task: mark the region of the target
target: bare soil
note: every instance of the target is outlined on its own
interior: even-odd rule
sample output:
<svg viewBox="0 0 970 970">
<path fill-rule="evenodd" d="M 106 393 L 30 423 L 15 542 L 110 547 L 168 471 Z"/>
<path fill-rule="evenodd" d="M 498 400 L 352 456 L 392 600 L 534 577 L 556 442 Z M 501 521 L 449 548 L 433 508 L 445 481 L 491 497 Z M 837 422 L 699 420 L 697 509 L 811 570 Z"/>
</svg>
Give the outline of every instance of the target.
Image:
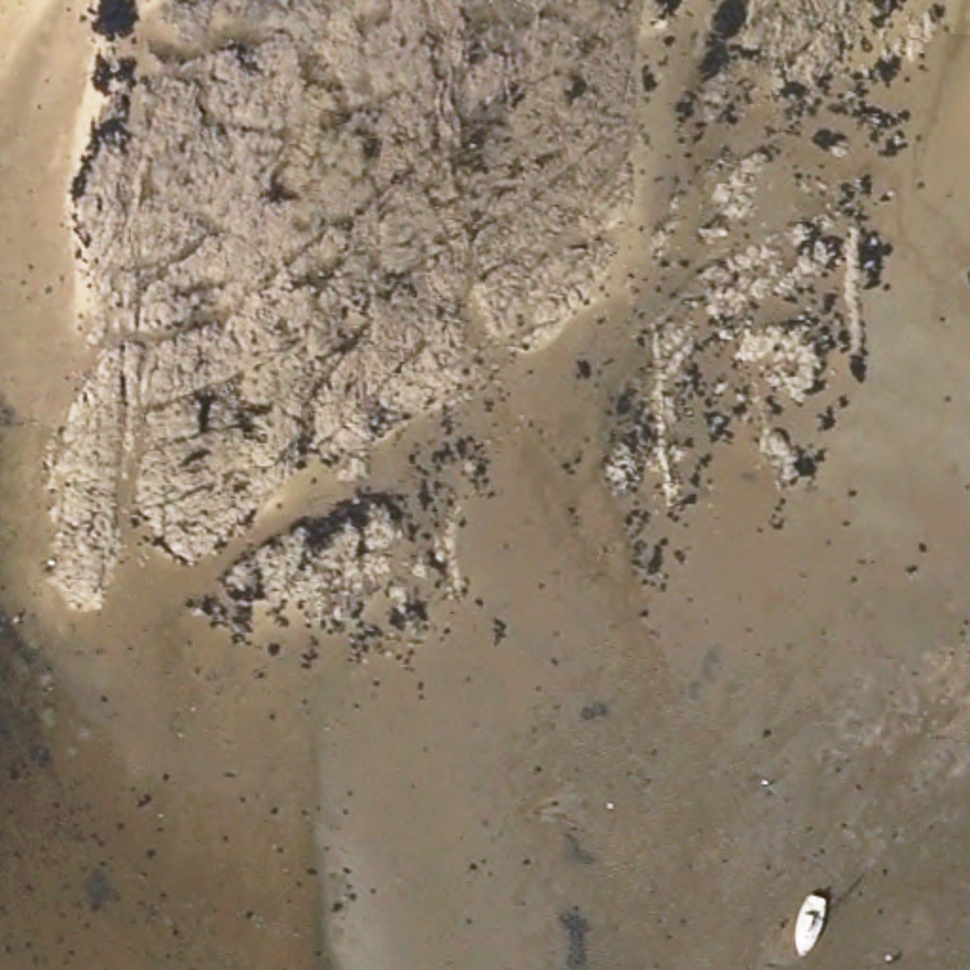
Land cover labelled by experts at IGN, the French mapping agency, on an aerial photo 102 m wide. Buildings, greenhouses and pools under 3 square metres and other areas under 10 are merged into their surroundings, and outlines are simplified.
<svg viewBox="0 0 970 970">
<path fill-rule="evenodd" d="M 15 424 L 4 443 L 8 466 L 0 485 L 0 553 L 11 561 L 11 599 L 30 610 L 27 625 L 19 629 L 23 640 L 45 652 L 64 671 L 64 690 L 76 697 L 80 712 L 91 716 L 87 728 L 76 731 L 83 743 L 114 739 L 114 754 L 125 762 L 136 784 L 140 777 L 171 773 L 171 792 L 246 792 L 246 811 L 273 811 L 280 834 L 299 830 L 299 807 L 311 807 L 318 815 L 314 841 L 322 856 L 322 917 L 337 970 L 970 970 L 970 0 L 0 0 L 0 83 L 11 76 L 23 45 L 45 57 L 38 87 L 27 106 L 27 133 L 49 152 L 49 167 L 57 174 L 53 193 L 61 197 L 64 220 L 61 261 L 72 269 L 68 333 L 72 341 L 87 345 L 87 356 L 99 360 L 95 379 L 68 405 L 68 424 L 38 424 L 34 417 L 15 413 Z"/>
</svg>

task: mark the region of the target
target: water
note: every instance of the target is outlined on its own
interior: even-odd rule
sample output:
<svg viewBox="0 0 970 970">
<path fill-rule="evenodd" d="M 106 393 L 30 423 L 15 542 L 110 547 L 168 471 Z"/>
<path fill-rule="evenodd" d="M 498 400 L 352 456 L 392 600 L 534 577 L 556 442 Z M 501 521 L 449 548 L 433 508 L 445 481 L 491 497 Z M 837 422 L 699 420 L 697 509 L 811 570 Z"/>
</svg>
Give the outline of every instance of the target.
<svg viewBox="0 0 970 970">
<path fill-rule="evenodd" d="M 49 152 L 27 133 L 27 106 L 38 87 L 45 57 L 23 45 L 11 76 L 0 83 L 0 485 L 8 466 L 4 443 L 15 424 L 15 413 L 34 417 L 38 424 L 68 424 L 68 405 L 95 379 L 99 360 L 87 356 L 87 345 L 72 341 L 68 333 L 72 269 L 61 261 L 64 220 L 61 197 L 53 193 L 57 174 L 49 167 Z"/>
<path fill-rule="evenodd" d="M 19 629 L 27 625 L 30 610 L 11 599 L 11 561 L 0 553 L 0 970 L 337 970 L 322 917 L 322 856 L 314 841 L 318 815 L 311 807 L 299 807 L 299 830 L 280 834 L 273 811 L 246 811 L 246 792 L 171 792 L 171 773 L 140 777 L 136 784 L 125 762 L 114 754 L 114 739 L 83 743 L 76 731 L 87 728 L 91 716 L 80 712 L 76 697 L 64 690 L 64 671 L 45 652 L 23 640 Z"/>
</svg>

